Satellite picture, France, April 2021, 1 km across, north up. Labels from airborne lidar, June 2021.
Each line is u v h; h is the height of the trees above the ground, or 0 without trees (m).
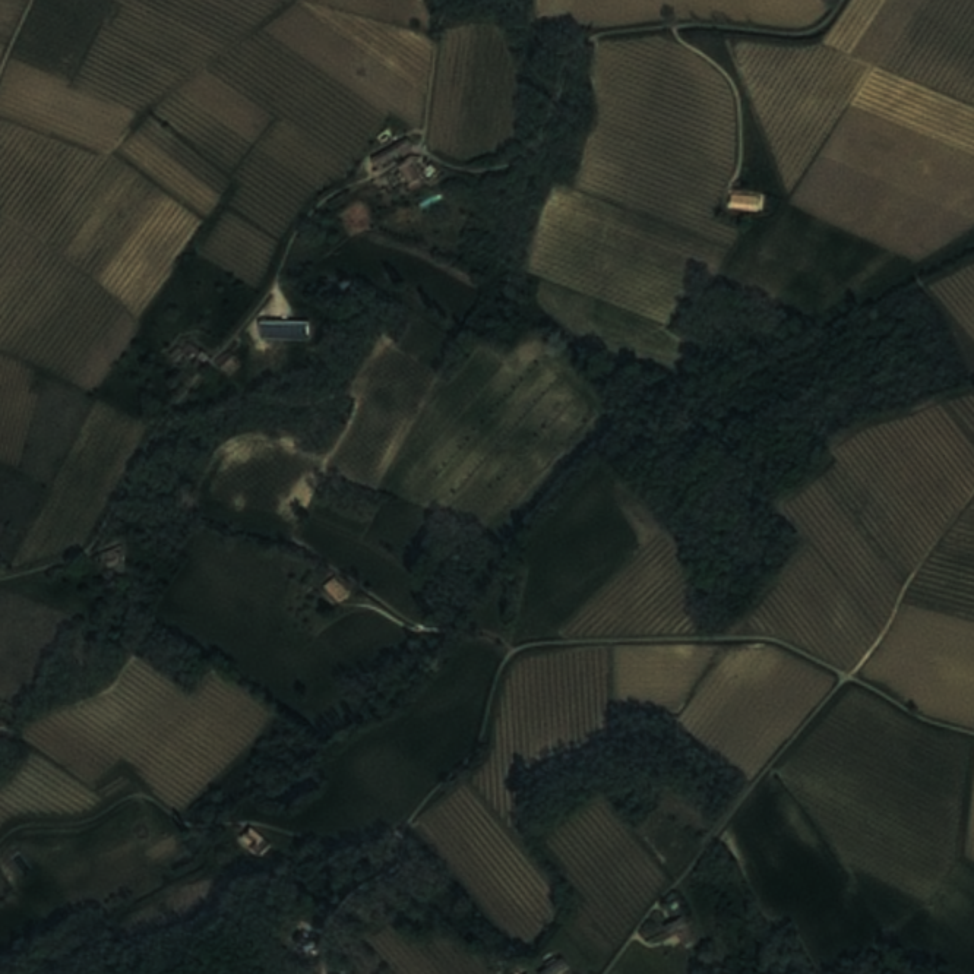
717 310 20
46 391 0
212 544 0
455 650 20
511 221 15
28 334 0
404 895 21
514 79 0
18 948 16
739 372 35
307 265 9
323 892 7
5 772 21
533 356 0
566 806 18
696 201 0
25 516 0
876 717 0
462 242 9
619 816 14
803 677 0
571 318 0
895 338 7
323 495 26
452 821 0
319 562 15
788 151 0
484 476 0
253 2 0
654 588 0
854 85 0
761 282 0
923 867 0
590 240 0
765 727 0
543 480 0
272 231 0
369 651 0
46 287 0
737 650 0
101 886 0
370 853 16
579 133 19
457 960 0
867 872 0
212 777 0
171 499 22
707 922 0
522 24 19
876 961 6
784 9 0
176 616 0
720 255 0
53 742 0
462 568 19
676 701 0
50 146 0
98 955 19
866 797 0
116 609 21
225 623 0
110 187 0
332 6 0
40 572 0
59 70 0
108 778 0
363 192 0
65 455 0
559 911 17
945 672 0
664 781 21
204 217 0
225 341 7
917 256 0
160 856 0
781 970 19
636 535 0
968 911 0
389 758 0
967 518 0
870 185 0
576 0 0
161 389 0
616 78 0
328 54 0
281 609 0
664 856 0
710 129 0
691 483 24
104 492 0
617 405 22
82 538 0
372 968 15
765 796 0
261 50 0
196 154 0
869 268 0
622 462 26
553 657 0
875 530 0
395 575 0
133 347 6
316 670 0
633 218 0
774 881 0
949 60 0
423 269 0
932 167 0
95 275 0
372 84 0
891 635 0
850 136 0
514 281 13
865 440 0
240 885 20
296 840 0
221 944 20
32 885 0
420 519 0
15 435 0
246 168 0
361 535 0
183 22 0
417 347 0
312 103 0
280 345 0
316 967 19
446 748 0
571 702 0
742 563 22
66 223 0
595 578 0
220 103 0
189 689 19
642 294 0
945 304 0
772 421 20
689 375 21
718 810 17
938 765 0
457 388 0
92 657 18
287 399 20
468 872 0
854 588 0
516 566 16
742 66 0
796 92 0
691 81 0
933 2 0
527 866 0
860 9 0
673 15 16
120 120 0
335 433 21
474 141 0
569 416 0
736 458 25
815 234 0
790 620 0
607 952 0
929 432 0
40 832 0
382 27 0
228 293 0
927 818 0
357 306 21
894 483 0
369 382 0
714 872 7
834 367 8
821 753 0
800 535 18
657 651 0
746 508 23
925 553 0
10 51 0
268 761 15
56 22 0
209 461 23
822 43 0
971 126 0
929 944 0
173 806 0
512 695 0
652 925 10
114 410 0
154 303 0
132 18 0
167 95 0
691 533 22
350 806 0
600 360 29
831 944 0
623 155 0
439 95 0
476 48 0
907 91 0
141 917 0
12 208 0
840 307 0
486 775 0
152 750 0
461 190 21
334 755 7
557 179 21
